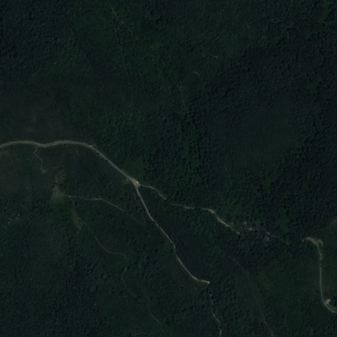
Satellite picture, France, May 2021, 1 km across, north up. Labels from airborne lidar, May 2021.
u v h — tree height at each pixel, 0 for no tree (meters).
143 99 7
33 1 17
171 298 9
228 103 14
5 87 6
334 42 16
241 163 10
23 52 14
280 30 25
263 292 7
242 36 10
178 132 13
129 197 6
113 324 6
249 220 12
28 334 11
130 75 14
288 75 17
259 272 6
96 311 10
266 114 8
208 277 7
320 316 9
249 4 16
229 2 7
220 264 7
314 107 22
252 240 17
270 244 12
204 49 10
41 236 7
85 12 17
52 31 17
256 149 7
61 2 15
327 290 0
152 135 11
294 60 16
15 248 11
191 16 11
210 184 16
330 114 23
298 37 26
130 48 15
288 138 9
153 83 15
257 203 16
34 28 17
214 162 14
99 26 14
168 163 14
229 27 9
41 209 11
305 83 24
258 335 13
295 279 8
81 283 15
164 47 9
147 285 11
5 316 23
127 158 10
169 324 14
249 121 8
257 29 10
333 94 29
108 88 6
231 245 11
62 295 18
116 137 16
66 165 5
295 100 13
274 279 6
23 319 15
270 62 24
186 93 13
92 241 6
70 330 15
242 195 8
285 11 12
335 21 21
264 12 16
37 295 10
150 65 8
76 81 7
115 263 6
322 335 9
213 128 9
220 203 13
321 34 28
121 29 6
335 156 11
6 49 20
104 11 13
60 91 7
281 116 10
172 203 10
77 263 11
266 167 12
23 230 8
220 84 22
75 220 0
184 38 10
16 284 13
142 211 9
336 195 9
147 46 9
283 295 7
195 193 9
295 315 6
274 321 6
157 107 7
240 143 9
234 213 10
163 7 18
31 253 6
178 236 7
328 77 29
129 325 7
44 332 12
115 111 9
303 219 19
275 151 8
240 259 13
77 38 21
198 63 14
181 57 17
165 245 15
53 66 11
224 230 12
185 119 13
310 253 7
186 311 17
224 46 9
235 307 14
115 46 13
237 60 20
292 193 13
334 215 10
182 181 9
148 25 18
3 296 13
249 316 13
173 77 8
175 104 17
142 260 16
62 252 9
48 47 18
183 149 16
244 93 11
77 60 12
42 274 6
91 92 6
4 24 22
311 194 18
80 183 14
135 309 7
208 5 10
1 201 7
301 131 13
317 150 20
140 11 12
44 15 21
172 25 9
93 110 7
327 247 6
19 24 15
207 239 6
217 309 12
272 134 9
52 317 20
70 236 15
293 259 9
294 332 10
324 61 27
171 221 7
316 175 14
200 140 16
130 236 6
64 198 0
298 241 10
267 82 18
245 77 23
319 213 13
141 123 10
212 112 13
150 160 14
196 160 10
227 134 11
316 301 15
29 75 9
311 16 20
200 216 15
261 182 15
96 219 6
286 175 22
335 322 14
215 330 6
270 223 16
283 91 10
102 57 13
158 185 6
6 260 12
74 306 12
